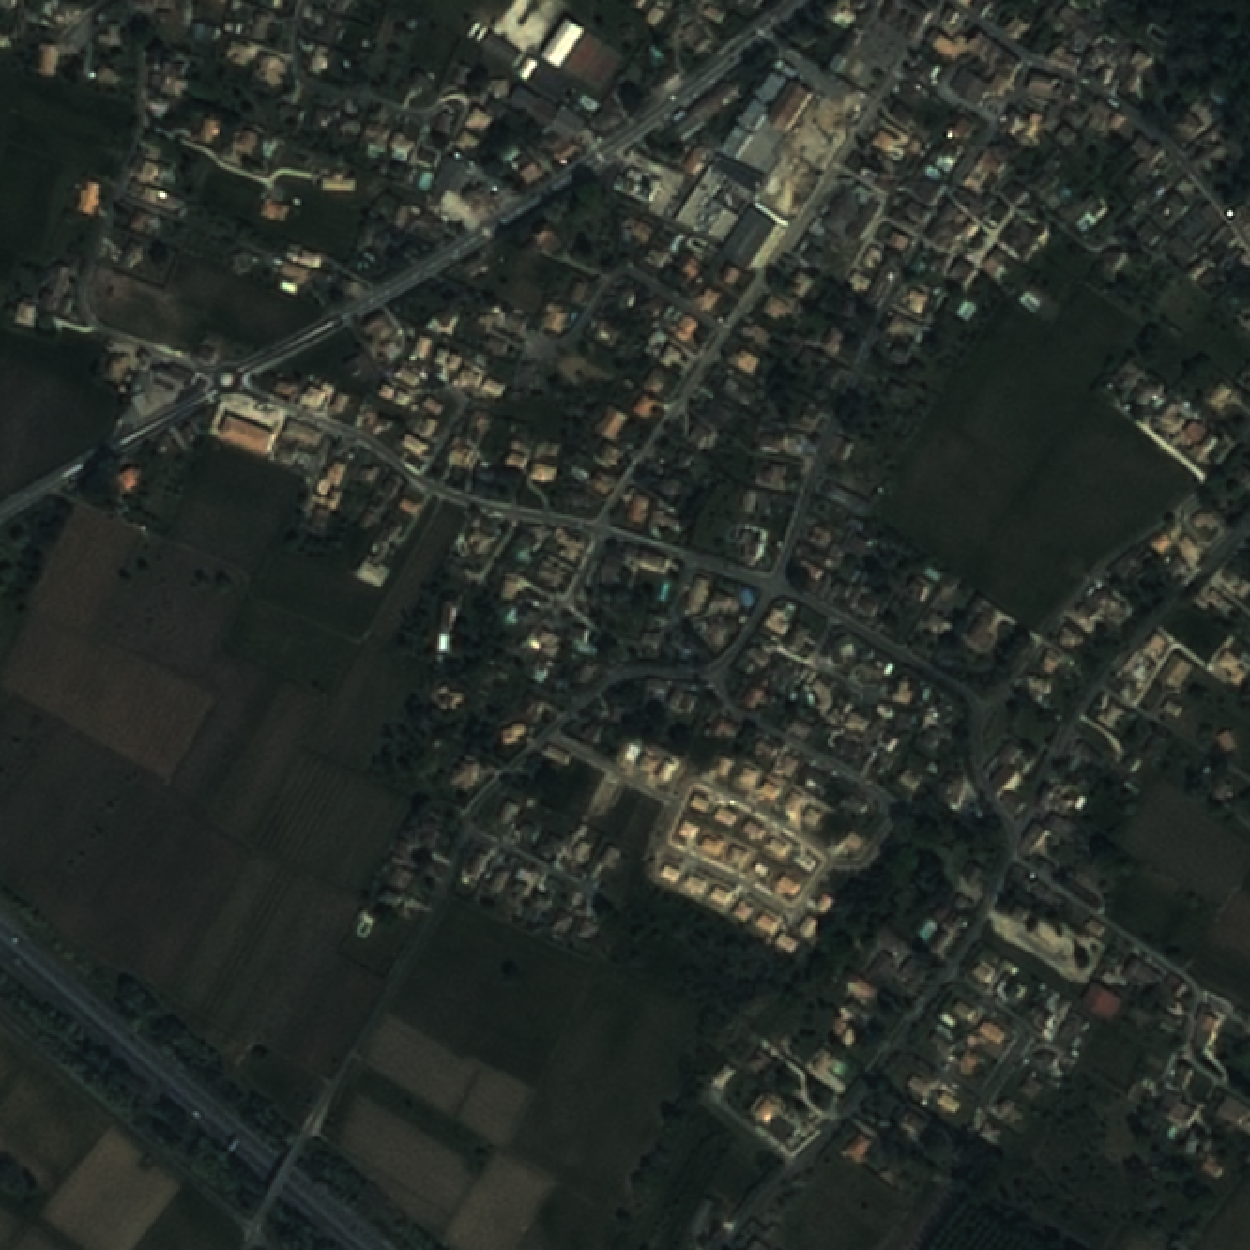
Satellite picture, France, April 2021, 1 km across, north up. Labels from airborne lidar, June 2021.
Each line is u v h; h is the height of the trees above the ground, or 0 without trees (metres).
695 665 11
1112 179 10
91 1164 0
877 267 8
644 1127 0
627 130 0
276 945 0
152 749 0
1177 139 9
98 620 0
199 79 7
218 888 0
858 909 13
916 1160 11
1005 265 9
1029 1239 23
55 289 0
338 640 0
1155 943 9
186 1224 0
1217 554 0
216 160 0
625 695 9
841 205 0
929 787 7
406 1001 0
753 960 11
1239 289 14
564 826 0
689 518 9
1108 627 7
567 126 0
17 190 0
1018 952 0
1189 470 0
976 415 0
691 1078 9
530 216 7
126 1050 0
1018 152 6
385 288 0
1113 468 0
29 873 0
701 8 8
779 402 9
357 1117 0
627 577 7
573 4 0
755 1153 0
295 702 0
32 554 8
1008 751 0
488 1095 0
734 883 0
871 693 0
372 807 0
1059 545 0
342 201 0
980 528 0
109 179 0
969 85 0
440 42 0
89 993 0
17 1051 0
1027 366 0
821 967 19
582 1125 0
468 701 8
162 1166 0
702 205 0
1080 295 0
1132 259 12
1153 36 0
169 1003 0
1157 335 7
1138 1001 8
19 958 0
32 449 0
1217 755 9
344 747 0
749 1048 8
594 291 0
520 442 6
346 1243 0
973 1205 16
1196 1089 0
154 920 0
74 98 0
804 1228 0
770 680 5
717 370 6
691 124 0
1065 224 0
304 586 0
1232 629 11
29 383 0
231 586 11
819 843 0
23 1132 0
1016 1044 0
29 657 0
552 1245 0
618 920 10
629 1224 16
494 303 8
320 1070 0
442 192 0
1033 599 0
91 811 0
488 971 0
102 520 0
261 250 0
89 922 0
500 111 14
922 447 0
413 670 0
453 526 0
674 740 11
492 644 8
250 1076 0
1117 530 0
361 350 6
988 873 11
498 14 0
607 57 0
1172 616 0
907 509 0
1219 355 0
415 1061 0
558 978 0
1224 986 0
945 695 9
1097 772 7
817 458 0
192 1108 0
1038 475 0
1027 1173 8
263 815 0
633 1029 0
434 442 0
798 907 0
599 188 19
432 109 0
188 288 0
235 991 0
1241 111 20
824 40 11
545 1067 0
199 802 0
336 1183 11
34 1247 0
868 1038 21
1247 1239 0
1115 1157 0
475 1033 0
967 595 8
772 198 0
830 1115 0
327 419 0
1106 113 0
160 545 0
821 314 15
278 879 0
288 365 0
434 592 6
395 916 12
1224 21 10
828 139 0
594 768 0
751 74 12
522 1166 0
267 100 13
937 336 11
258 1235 0
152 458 7
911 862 23
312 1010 0
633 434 8
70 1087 0
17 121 0
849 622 0
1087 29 0
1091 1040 0
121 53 10
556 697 11
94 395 0
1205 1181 8
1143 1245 0
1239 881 0
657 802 0
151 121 7
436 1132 0
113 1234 0
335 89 9
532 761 7
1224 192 8
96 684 0
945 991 6
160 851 0
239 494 0
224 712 0
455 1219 0
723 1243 13
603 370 0
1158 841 0
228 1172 10
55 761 0
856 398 12
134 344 0
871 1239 0
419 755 12
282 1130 7
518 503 0
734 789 0
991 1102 0
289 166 0
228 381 0
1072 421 0
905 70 7
